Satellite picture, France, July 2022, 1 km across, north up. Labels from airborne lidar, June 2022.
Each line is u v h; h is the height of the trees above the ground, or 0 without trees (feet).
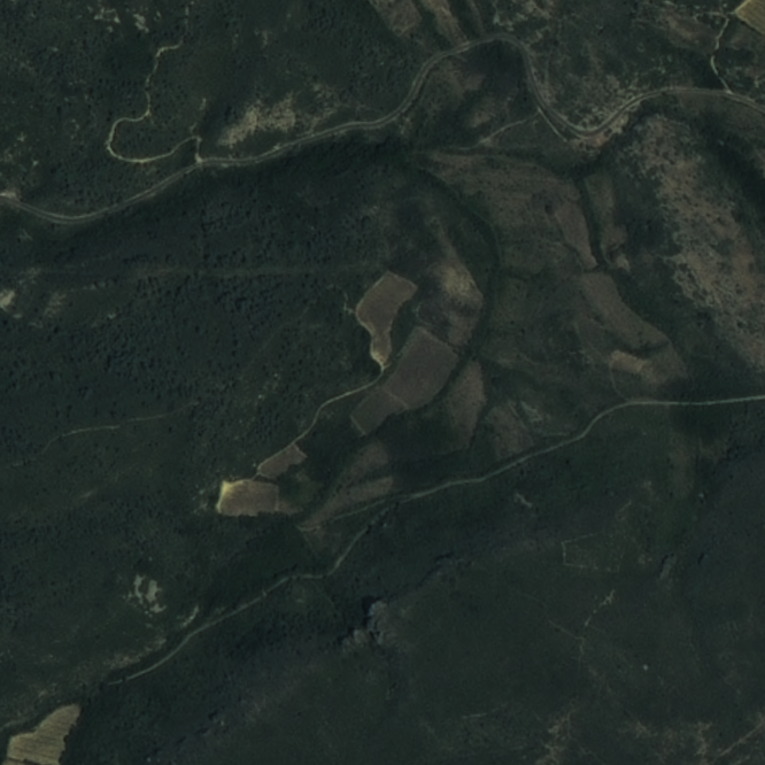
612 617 0
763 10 0
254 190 41
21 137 0
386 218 0
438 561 28
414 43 19
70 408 26
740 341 0
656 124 0
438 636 0
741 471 0
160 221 39
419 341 0
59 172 42
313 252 27
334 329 25
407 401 0
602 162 27
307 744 0
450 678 0
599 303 0
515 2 0
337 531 0
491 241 26
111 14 0
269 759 0
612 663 0
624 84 0
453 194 30
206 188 23
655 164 0
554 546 0
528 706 0
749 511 0
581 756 0
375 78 26
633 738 0
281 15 0
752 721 0
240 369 24
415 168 22
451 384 37
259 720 0
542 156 24
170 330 25
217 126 0
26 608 23
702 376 20
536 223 0
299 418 29
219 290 27
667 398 24
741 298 0
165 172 23
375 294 0
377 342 0
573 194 0
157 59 23
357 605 24
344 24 37
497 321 0
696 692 0
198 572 27
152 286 40
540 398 0
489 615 0
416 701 0
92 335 21
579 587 0
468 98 19
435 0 0
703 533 0
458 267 0
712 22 19
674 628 0
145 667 21
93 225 20
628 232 21
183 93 23
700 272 0
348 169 39
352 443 33
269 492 0
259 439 40
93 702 51
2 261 22
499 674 0
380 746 0
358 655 21
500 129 0
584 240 0
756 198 36
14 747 0
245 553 23
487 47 36
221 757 0
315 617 19
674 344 22
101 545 0
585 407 0
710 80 19
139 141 21
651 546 20
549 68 0
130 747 20
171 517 20
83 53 28
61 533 23
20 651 0
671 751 0
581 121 0
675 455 0
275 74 0
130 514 24
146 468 0
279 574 21
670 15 0
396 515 23
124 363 49
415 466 28
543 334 0
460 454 22
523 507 20
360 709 0
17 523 28
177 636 23
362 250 29
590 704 0
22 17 21
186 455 27
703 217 0
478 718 0
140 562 25
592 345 0
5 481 0
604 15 0
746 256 0
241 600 20
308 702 0
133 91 33
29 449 23
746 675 0
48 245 25
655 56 0
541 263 0
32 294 26
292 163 54
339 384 21
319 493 21
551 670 0
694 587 0
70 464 27
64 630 0
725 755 0
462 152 22
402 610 0
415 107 20
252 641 33
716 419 17
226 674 23
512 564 0
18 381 22
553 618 0
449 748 0
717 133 24
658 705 0
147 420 0
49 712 22
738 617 0
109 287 17
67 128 0
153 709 26
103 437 0
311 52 0
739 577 0
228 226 32
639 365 0
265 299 24
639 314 24
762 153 0
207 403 24
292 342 27
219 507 0
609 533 0
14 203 0
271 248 34
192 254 21
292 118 0
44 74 27
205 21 22
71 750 21
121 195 31
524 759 0
